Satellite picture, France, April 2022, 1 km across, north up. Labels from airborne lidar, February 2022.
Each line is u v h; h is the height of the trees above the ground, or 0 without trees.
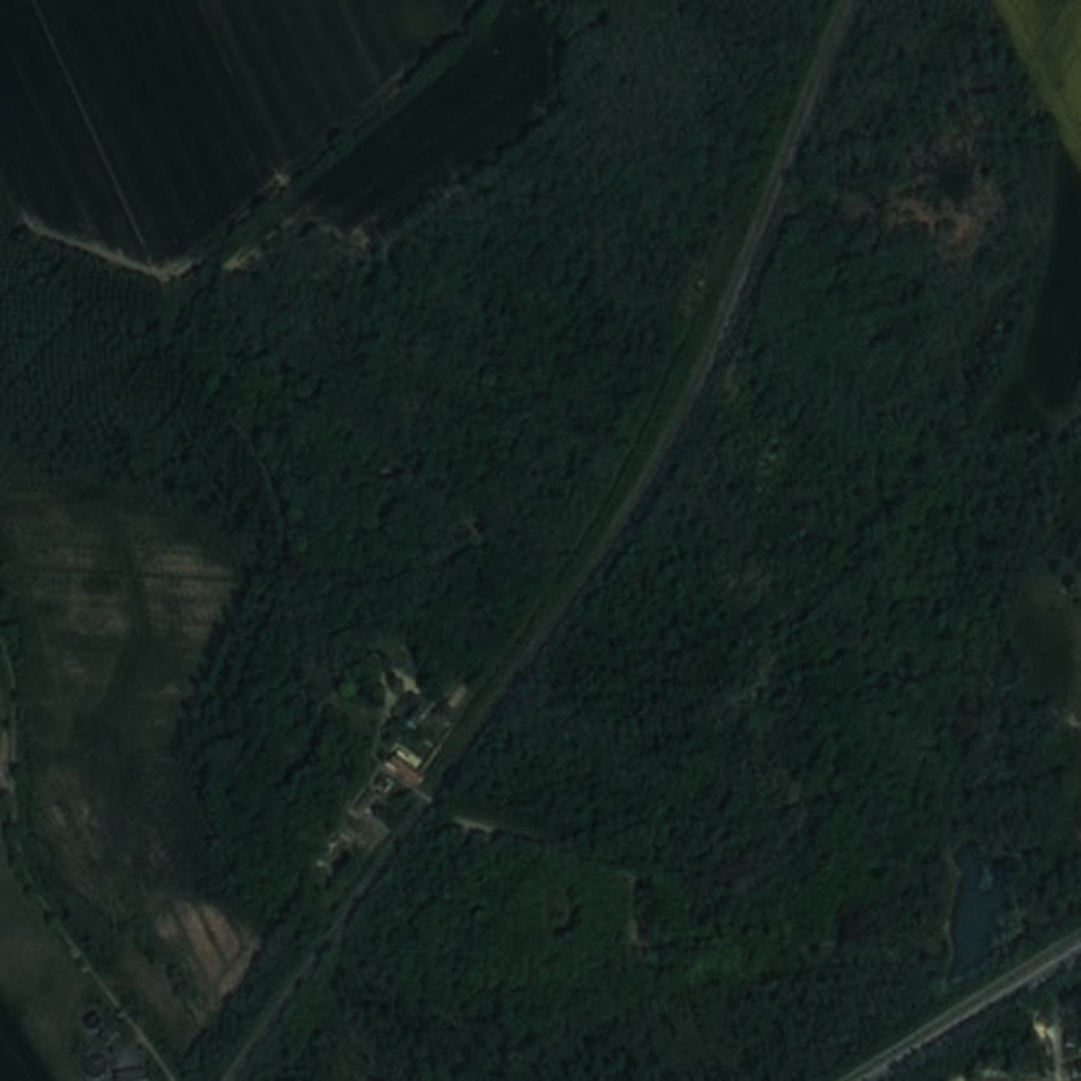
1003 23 20
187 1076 12
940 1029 0
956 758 24
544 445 14
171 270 0
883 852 28
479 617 17
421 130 0
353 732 11
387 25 0
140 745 0
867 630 22
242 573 0
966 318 24
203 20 0
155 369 24
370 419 19
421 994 12
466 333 19
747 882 20
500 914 20
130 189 0
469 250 27
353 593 23
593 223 23
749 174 19
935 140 9
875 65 26
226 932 0
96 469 26
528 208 24
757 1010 25
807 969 23
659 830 20
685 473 22
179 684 0
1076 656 0
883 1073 0
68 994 0
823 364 16
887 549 24
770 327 15
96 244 0
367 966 15
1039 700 0
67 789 0
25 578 0
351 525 20
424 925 21
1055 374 0
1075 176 0
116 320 17
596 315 6
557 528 18
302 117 0
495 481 18
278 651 25
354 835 18
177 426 26
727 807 20
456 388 13
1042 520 16
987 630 18
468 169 0
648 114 26
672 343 15
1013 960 9
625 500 8
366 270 24
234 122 0
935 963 16
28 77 0
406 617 24
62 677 0
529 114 0
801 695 10
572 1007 18
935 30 9
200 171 0
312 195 0
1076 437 11
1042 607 0
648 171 23
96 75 0
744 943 23
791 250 10
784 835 17
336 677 18
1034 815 27
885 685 21
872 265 14
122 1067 0
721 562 19
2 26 0
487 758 20
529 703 22
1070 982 13
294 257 19
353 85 0
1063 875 19
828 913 19
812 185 16
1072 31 0
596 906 19
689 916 15
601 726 21
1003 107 22
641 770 20
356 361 8
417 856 10
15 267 25
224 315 18
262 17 0
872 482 18
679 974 26
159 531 0
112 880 0
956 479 20
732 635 7
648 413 12
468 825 0
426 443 21
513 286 23
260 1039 0
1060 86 0
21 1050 0
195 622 0
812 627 21
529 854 21
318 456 23
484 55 0
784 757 18
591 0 14
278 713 17
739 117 17
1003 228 18
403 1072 25
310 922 14
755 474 16
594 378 21
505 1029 25
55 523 0
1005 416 0
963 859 0
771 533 19
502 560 25
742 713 15
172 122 0
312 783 15
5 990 0
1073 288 0
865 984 19
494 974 20
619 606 14
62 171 0
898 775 27
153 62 0
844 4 0
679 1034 35
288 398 20
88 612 0
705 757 21
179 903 0
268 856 18
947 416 25
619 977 20
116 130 0
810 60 7
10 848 9
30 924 0
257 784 19
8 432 29
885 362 21
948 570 19
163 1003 0
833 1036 24
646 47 25
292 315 19
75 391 28
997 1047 19
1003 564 33
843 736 26
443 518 25
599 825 19
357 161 0
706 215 18
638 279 23
